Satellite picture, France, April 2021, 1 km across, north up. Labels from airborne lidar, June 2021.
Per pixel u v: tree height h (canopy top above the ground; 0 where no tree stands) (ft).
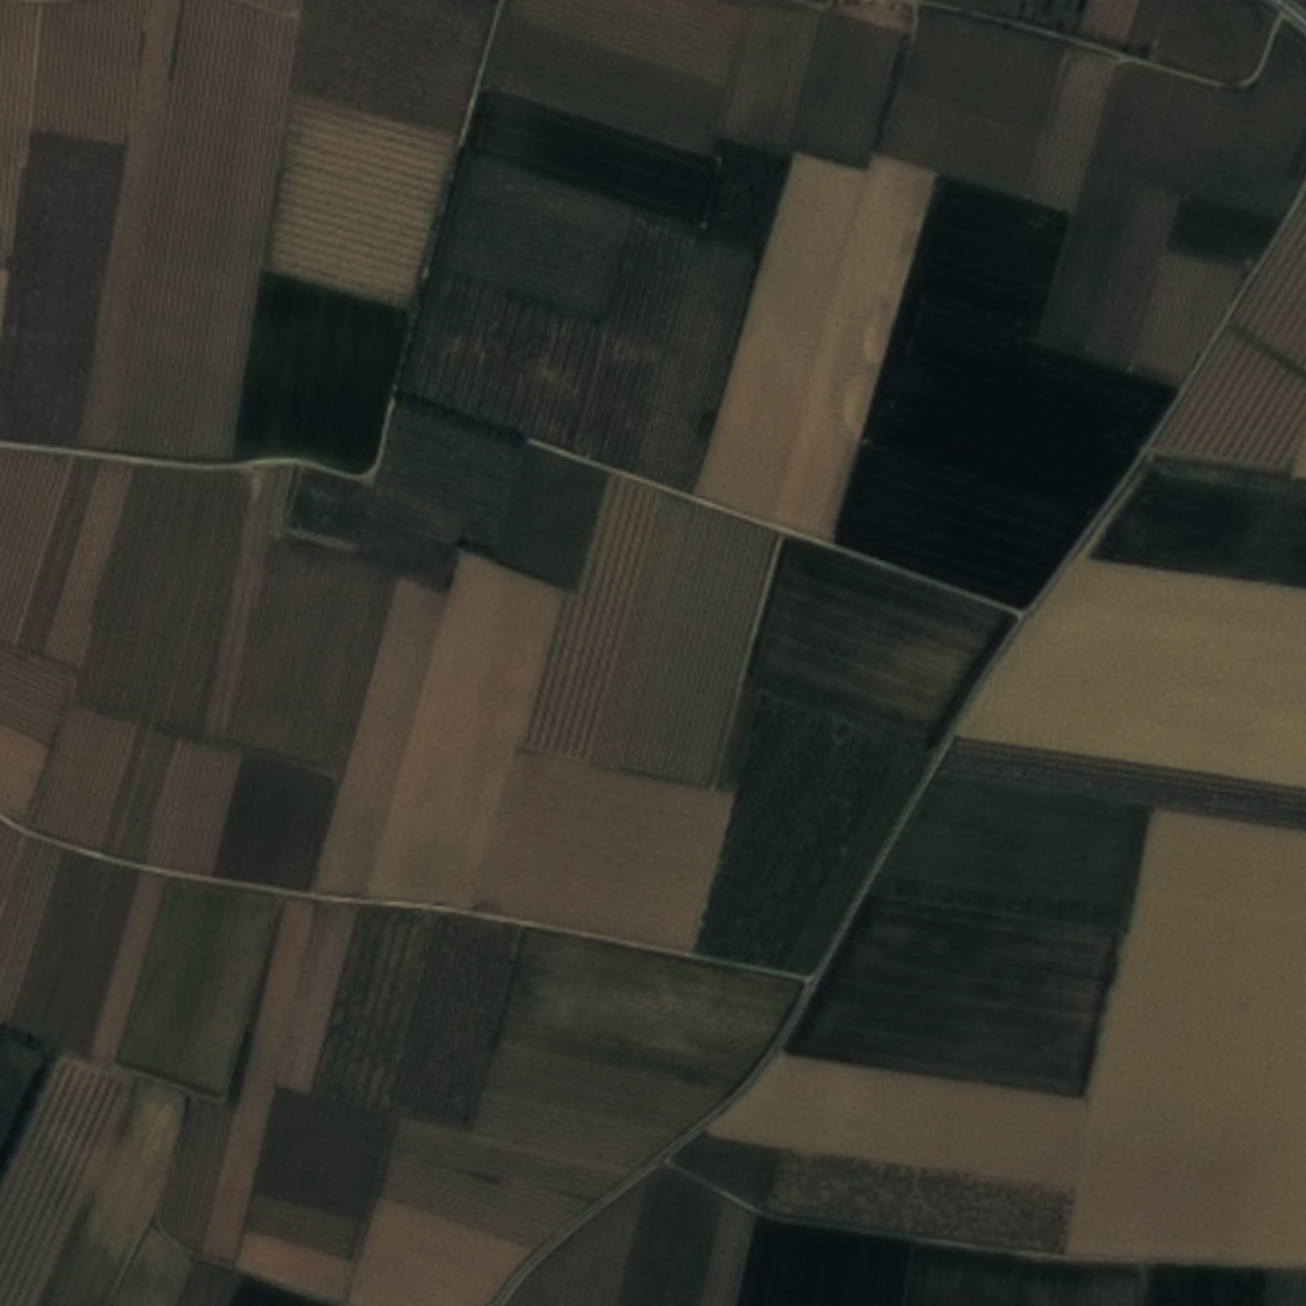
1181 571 0
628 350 0
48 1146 0
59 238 0
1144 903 0
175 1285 0
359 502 0
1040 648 0
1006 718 0
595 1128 0
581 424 0
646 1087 0
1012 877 0
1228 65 0
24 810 0
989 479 0
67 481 0
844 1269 0
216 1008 0
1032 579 0
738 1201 0
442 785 0
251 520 0
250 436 0
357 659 0
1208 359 0
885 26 0
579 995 0
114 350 0
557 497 0
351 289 0
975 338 0
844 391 0
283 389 0
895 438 0
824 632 0
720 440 0
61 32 0
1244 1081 0
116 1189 0
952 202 0
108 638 0
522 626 0
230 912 0
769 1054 0
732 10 0
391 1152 0
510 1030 0
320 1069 0
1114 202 0
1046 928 0
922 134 0
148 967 0
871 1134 0
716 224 18
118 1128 0
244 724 0
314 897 0
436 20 0
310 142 0
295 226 0
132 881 0
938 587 0
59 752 0
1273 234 0
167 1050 0
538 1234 0
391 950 0
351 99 0
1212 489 0
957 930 0
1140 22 0
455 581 0
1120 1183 0
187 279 0
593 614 0
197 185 0
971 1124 0
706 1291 0
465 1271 0
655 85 0
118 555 0
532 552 0
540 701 0
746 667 0
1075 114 0
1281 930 0
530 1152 0
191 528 0
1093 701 0
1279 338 0
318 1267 0
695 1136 0
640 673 0
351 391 0
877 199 0
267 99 0
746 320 0
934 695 0
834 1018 0
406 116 0
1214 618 0
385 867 0
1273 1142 0
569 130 0
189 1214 0
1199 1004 0
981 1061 0
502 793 0
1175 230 0
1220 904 0
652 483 0
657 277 0
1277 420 0
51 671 0
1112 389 0
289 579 0
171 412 0
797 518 0
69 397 0
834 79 0
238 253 0
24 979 0
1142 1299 0
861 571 0
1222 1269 0
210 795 0
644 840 0
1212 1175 0
